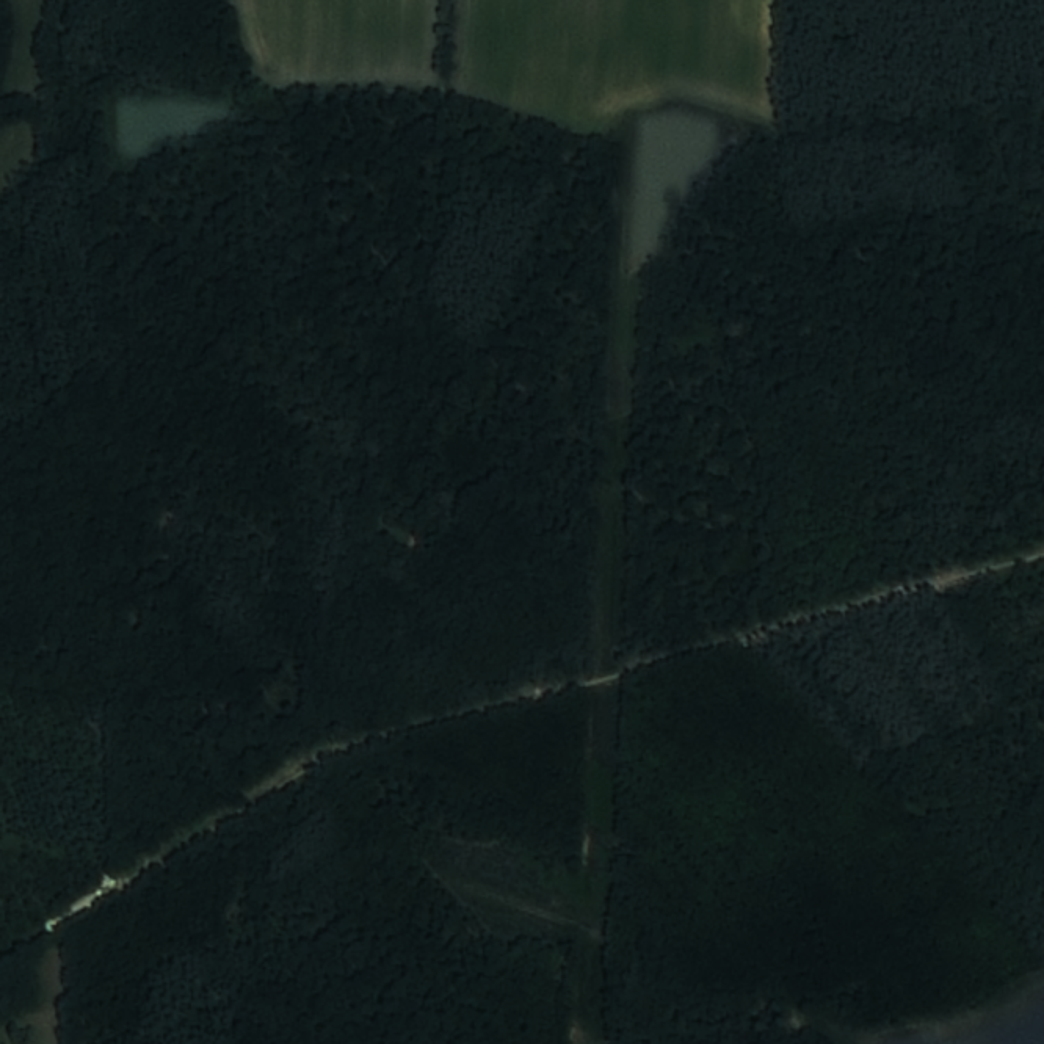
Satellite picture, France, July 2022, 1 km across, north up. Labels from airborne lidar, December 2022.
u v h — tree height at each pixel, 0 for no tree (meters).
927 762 18
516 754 19
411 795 21
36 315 0
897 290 19
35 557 20
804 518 15
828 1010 19
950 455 21
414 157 18
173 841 23
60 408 18
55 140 22
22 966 26
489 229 29
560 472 16
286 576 20
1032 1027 0
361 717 22
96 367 14
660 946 22
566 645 22
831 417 20
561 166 20
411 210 15
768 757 19
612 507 0
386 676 24
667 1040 26
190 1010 28
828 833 21
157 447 11
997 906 14
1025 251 17
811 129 16
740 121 0
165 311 22
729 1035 21
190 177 20
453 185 23
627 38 0
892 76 21
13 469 19
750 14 0
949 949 19
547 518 21
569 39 0
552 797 18
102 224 22
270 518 15
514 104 0
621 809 17
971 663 19
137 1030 14
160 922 21
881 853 21
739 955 23
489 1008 28
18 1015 21
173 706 23
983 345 21
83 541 22
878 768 17
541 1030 30
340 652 25
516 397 15
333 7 0
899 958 23
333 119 24
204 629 22
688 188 0
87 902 0
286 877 24
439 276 23
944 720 12
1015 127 18
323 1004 30
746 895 21
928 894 23
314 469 7
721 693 19
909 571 15
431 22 0
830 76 21
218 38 11
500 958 23
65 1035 16
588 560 23
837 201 23
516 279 25
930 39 22
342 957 22
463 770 20
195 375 20
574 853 16
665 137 0
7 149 0
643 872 18
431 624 18
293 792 17
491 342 22
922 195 20
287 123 9
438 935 22
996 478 16
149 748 24
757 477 17
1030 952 14
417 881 21
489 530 21
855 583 15
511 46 0
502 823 17
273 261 20
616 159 10
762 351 19
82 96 10
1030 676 16
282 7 0
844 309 21
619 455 0
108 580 20
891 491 19
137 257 20
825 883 21
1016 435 21
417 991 26
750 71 0
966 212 15
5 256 0
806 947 19
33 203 0
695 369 11
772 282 14
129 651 17
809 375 19
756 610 13
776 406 21
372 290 21
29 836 17
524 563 20
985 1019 0
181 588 26
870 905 21
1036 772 22
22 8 0
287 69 0
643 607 8
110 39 0
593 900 0
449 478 22
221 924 21
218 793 25
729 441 19
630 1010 22
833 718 22
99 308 17
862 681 23
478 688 21
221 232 20
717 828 20
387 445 18
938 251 24
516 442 8
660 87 0
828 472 20
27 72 0
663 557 18
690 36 0
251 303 17
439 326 16
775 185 19
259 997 26
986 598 15
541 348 19
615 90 0
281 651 13
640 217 0
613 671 0
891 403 13
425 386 12
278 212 21
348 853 19
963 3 21
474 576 17
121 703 19
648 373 11
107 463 20
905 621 22
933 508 20
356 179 23
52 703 10
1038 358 21
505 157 9
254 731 21
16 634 24
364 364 19
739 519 13
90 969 20
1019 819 20
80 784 14
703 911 19
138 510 19
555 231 23
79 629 23
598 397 15
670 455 26
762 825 16
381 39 0
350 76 0
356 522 22
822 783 17
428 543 20
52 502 19
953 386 19
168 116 0
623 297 0
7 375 0
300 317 18
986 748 11
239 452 21
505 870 0
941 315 21
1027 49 22
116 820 18
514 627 20
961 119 19
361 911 25
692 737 19
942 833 17
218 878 20
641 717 18
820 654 23
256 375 21
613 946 16
